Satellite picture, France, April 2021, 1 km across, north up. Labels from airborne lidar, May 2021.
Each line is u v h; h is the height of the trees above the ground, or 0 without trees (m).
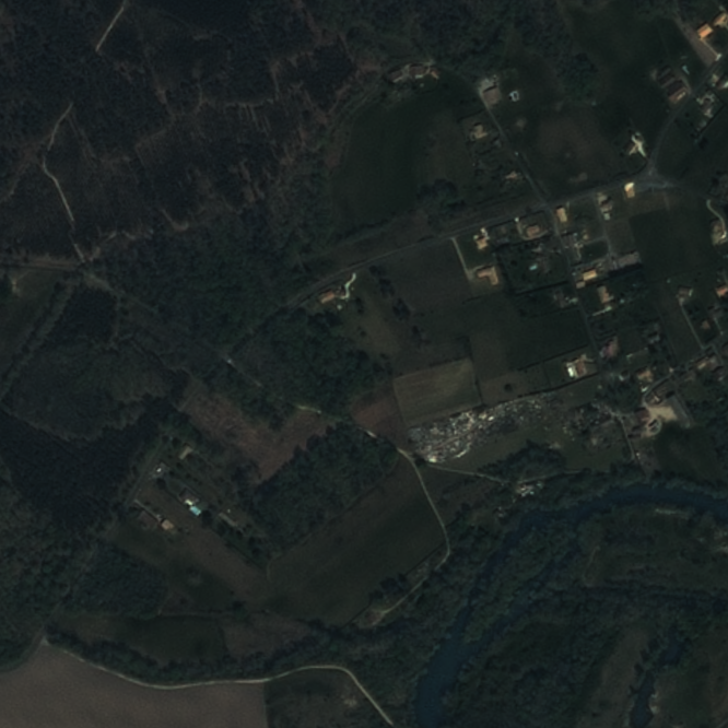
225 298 18
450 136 0
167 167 8
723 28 0
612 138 0
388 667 14
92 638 0
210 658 0
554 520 8
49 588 9
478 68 12
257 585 0
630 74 0
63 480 9
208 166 10
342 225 0
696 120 0
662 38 0
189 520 0
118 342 9
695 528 16
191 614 0
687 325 0
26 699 0
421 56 17
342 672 0
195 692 0
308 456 12
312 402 18
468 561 24
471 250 0
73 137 7
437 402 0
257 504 12
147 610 18
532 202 0
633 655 0
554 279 0
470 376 0
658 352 16
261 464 0
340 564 0
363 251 0
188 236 11
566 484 10
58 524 9
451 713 6
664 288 0
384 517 0
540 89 0
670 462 0
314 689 0
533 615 16
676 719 0
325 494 27
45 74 18
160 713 0
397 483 0
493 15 18
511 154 0
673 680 0
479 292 0
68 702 0
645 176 0
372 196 0
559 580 17
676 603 17
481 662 14
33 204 8
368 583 0
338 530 0
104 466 10
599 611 12
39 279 0
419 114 0
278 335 21
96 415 15
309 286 14
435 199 20
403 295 0
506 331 0
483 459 0
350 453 20
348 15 20
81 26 16
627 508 16
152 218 8
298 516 20
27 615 20
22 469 10
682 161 0
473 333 0
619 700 0
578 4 13
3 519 18
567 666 17
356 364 21
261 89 15
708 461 0
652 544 16
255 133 7
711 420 11
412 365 0
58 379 15
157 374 13
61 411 13
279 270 17
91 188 6
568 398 0
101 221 9
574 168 0
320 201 19
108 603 18
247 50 18
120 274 14
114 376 13
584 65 19
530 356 0
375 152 0
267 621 0
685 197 0
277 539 16
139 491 0
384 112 0
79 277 13
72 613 21
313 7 26
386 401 0
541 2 15
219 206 14
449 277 0
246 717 0
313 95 9
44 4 19
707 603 12
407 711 10
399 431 0
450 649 0
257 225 28
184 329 17
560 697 16
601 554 7
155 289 25
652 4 17
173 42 6
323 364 20
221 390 20
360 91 13
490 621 14
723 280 0
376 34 11
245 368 16
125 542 0
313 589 0
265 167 8
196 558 0
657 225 0
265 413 24
